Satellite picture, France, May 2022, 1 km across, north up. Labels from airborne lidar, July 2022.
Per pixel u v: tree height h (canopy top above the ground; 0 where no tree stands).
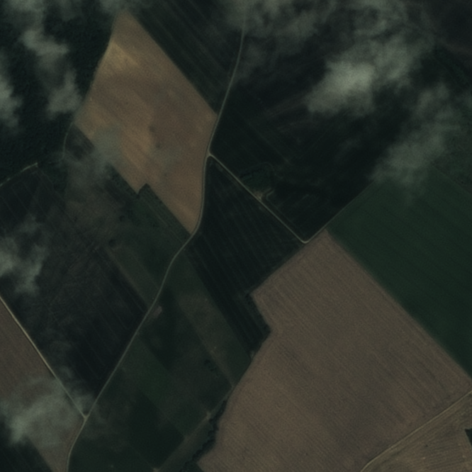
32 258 0
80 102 12
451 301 0
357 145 0
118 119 0
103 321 0
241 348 0
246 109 0
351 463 0
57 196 0
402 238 0
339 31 0
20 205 0
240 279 0
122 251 0
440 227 0
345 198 0
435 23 0
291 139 0
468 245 0
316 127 0
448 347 0
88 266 0
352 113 0
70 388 0
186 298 0
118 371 0
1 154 23
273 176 0
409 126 0
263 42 0
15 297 0
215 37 0
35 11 28
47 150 20
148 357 0
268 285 0
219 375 11
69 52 22
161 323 0
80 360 0
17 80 20
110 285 0
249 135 0
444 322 0
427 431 0
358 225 0
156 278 0
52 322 0
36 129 20
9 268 0
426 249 0
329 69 0
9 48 30
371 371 0
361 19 0
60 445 0
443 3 0
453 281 0
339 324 0
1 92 21
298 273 0
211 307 0
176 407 0
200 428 0
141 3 0
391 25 0
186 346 0
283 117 0
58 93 15
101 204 0
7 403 0
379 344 0
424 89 0
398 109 0
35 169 0
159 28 0
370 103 0
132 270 0
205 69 0
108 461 0
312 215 0
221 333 0
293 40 0
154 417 0
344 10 0
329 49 0
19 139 24
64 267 0
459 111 12
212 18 0
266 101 0
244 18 0
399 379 0
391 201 0
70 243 0
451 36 0
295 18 0
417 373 0
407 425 0
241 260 0
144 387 0
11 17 21
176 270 0
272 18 0
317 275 0
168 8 0
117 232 0
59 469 0
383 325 0
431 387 0
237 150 0
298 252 0
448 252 0
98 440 0
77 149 0
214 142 0
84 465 0
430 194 0
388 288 0
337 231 0
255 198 0
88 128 0
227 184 0
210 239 0
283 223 0
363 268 0
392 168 0
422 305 0
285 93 0
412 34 0
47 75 25
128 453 0
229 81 0
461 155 0
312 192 0
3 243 0
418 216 0
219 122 0
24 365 0
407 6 0
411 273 0
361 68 0
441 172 0
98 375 0
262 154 0
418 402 0
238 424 0
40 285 0
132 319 0
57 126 17
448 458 0
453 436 0
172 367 0
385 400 0
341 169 0
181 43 0
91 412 0
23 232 0
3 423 0
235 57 0
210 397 0
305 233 0
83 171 0
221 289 0
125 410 0
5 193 0
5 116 23
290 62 0
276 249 0
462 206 0
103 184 0
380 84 0
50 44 24
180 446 0
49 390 0
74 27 25
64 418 0
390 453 0
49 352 0
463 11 0
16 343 0
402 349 0
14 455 0
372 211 0
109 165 9
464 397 0
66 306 0
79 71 17
